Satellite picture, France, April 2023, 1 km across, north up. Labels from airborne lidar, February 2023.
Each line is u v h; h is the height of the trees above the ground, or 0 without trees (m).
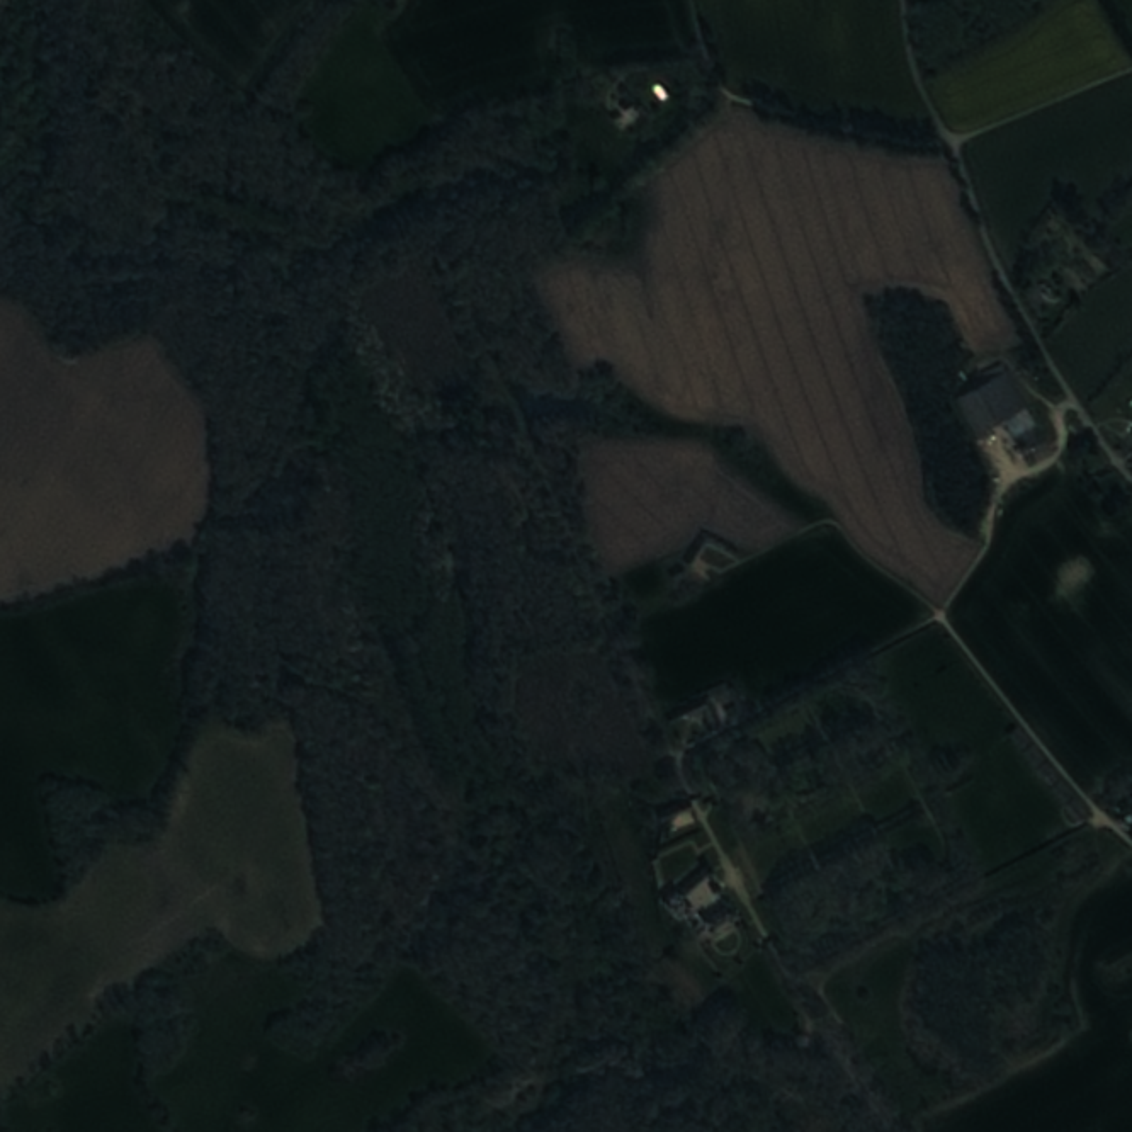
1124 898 0
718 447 0
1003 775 0
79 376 0
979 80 0
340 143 0
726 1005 23
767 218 0
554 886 12
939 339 15
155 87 10
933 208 0
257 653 15
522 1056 19
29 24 17
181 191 21
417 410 16
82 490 0
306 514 25
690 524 0
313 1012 9
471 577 20
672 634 0
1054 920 7
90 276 20
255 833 0
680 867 0
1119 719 0
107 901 0
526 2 0
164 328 16
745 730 24
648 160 20
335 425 11
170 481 0
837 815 0
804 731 0
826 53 0
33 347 0
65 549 0
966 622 0
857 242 0
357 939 24
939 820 23
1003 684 0
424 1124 8
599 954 8
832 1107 23
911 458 0
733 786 28
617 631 23
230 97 6
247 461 24
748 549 0
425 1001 0
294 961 8
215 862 0
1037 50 0
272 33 0
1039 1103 0
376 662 20
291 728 18
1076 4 0
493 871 8
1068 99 0
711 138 0
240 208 21
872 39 0
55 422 0
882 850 26
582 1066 16
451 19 0
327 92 0
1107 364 0
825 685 20
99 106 8
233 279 29
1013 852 0
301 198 25
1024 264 7
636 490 0
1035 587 0
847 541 0
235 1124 0
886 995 0
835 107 0
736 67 0
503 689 23
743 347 0
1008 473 0
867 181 0
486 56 0
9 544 0
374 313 12
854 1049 20
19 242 25
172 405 0
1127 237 0
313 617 27
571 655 13
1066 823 0
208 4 0
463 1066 0
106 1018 19
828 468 0
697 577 0
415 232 22
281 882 0
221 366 27
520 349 24
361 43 0
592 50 0
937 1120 0
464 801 8
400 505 18
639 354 0
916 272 0
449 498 24
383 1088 0
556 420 23
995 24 12
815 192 0
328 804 22
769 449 0
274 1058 0
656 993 8
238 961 0
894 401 0
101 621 0
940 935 8
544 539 19
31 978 0
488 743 26
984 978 16
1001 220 0
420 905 18
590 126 0
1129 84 0
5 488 0
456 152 22
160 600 0
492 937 27
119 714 0
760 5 0
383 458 20
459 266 24
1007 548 0
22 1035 0
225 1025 0
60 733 0
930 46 15
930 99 0
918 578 0
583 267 0
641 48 0
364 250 24
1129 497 13
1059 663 0
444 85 0
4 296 14
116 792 0
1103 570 0
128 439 0
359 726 16
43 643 0
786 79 0
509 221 22
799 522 0
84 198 21
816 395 0
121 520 0
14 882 0
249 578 19
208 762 0
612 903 7
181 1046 14
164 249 23
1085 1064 0
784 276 0
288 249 17
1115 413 0
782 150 0
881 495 0
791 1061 28
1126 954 0
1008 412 0
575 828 19
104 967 0
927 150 24
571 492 14
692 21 0
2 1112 11
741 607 0
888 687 7
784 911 32
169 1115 12
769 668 0
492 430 24
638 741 14
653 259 0
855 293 0
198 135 17
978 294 0
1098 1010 0
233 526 17
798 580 0
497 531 20
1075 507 0
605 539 0
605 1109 25
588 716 10
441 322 12
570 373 20
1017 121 0
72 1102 0
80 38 22
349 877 27
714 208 0
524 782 19
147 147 12
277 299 29
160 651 0
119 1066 0
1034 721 0
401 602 22
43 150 9
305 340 29
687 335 0
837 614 0
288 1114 0
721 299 0
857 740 26
